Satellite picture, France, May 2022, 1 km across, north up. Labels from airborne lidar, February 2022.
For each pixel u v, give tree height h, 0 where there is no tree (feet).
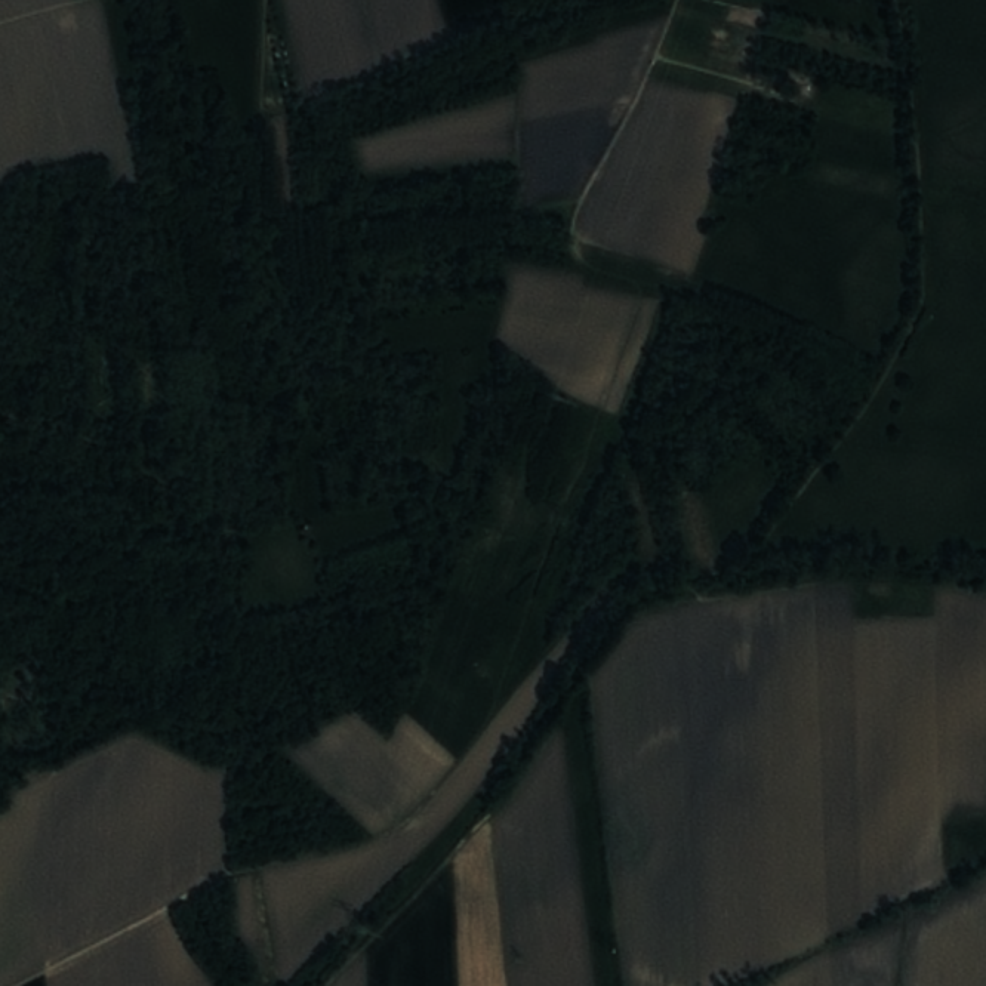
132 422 80
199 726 61
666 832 0
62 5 0
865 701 0
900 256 0
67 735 53
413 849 0
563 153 0
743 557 64
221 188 72
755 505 0
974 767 0
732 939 0
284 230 0
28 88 0
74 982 0
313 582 0
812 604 0
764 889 0
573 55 0
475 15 0
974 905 0
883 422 0
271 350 76
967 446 0
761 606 0
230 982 18
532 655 0
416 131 0
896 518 0
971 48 0
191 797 0
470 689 0
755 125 65
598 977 0
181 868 0
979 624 0
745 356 26
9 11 0
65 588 77
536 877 0
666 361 62
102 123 0
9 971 0
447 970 0
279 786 18
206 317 47
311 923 0
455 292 68
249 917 0
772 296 0
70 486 73
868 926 36
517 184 55
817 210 0
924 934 0
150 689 28
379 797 0
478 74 44
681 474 57
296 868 0
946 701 0
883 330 0
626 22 0
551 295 0
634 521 27
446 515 81
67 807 0
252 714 52
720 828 0
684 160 0
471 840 0
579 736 0
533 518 0
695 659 0
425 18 0
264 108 0
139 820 0
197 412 85
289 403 76
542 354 0
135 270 32
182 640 48
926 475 0
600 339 0
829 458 43
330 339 94
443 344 0
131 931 0
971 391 0
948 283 0
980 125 0
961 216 0
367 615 88
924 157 0
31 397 87
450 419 0
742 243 0
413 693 22
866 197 0
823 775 0
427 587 73
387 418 34
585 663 104
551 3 31
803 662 0
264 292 33
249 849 34
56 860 0
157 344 25
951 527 0
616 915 0
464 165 0
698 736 0
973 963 0
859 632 0
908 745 0
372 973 0
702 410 43
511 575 0
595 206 0
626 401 0
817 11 0
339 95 32
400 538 50
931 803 0
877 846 0
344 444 76
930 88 0
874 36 68
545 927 0
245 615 63
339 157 55
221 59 0
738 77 0
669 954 0
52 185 59
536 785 0
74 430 51
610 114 0
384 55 0
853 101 0
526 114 0
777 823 0
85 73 0
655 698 0
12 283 69
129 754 0
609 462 49
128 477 60
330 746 0
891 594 0
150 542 77
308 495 0
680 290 0
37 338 46
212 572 64
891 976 0
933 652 0
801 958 0
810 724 0
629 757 0
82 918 0
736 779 0
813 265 0
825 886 0
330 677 56
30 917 0
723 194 55
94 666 31
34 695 66
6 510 67
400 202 68
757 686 0
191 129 74
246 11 0
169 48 61
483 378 0
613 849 0
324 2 0
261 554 0
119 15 0
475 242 61
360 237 24
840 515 0
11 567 33
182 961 0
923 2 0
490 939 0
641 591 83
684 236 0
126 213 77
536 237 67
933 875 0
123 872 0
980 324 0
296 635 53
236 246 79
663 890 0
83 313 82
